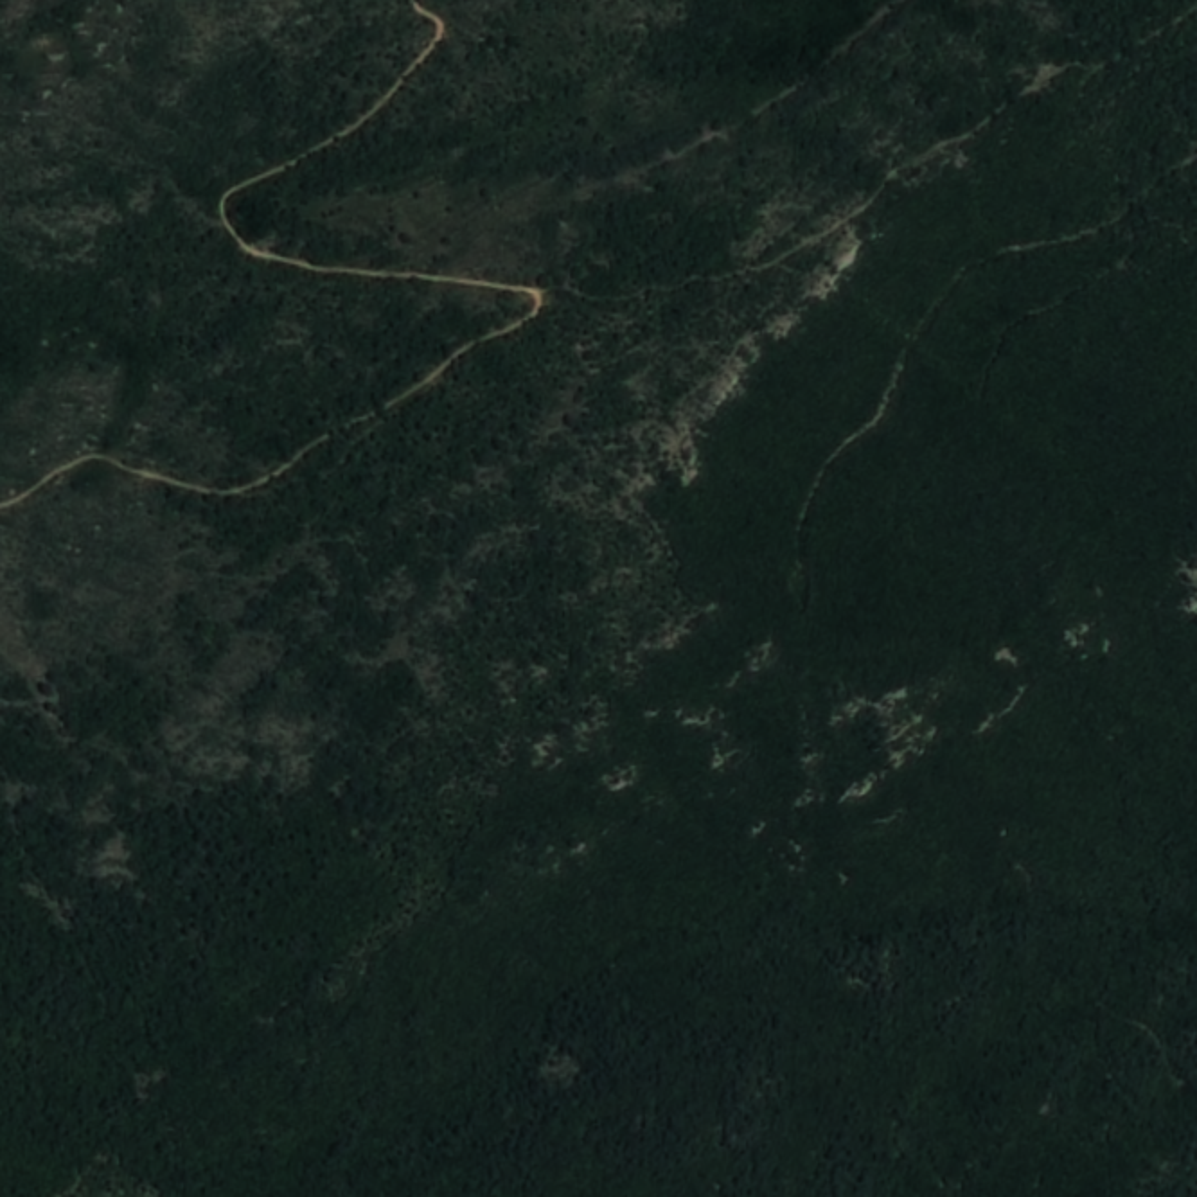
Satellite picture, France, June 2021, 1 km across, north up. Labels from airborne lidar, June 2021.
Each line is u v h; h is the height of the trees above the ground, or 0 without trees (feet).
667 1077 24
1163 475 27
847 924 40
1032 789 31
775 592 32
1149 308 30
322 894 20
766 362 30
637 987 30
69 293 20
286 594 22
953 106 23
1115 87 21
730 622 24
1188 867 46
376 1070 30
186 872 47
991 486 25
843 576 36
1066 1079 28
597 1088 52
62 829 48
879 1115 31
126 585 0
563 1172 37
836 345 27
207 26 0
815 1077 30
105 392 0
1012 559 25
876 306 24
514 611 40
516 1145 28
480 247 0
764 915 28
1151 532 26
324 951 20
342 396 21
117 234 18
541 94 27
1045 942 38
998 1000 40
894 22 33
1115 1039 25
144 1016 25
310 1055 29
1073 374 40
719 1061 36
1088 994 39
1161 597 19
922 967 32
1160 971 36
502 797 28
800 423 27
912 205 39
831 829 37
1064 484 28
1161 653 37
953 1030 22
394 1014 32
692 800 29
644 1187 39
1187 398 27
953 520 26
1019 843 27
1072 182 28
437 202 0
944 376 32
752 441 30
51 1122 45
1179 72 35
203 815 39
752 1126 51
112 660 23
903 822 21
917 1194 42
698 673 27
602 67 24
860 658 28
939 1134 32
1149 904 55
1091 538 27
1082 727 30
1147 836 32
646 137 20
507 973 35
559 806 40
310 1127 44
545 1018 22
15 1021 21
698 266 32
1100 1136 25
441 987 34
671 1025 35
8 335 24
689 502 25
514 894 26
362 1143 28
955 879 31
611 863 22
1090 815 30
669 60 33
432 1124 37
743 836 31
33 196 18
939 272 30
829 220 0
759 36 26
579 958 39
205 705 0
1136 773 35
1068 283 31
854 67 24
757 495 31
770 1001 28
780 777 30
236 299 39
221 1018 24
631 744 26
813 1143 32
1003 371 30
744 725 34
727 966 26
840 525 28
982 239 27
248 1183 36
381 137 23
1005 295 27
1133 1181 28
